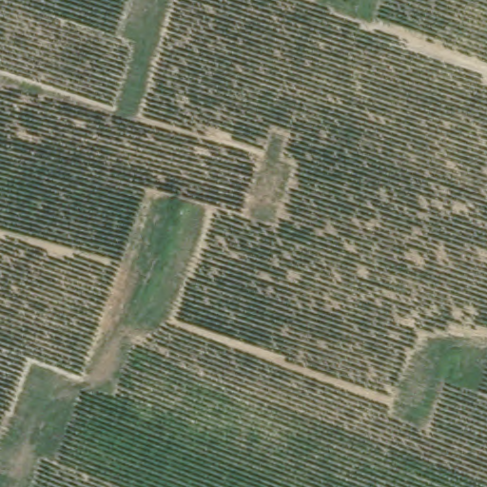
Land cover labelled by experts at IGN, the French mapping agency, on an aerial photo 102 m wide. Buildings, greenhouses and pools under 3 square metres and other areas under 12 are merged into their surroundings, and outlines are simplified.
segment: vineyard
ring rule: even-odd
[[[145,226],[148,211],[154,200],[175,198],[185,200],[192,207],[200,207],[204,211],[200,238],[192,253],[192,259],[186,266],[186,272],[181,276],[177,295],[171,302],[169,316],[150,331],[137,331],[127,344],[120,346],[116,358],[116,371],[105,382],[99,382],[95,390],[84,390],[80,394],[80,403],[76,405],[76,420],[67,428],[67,436],[61,451],[53,453],[51,457],[40,455],[42,464],[34,487],[487,487],[487,363],[479,369],[481,373],[476,388],[468,390],[451,382],[445,384],[445,398],[441,405],[432,403],[430,413],[420,424],[420,430],[413,426],[403,428],[401,420],[394,419],[394,401],[398,399],[399,390],[392,384],[398,379],[405,380],[409,375],[413,356],[419,354],[428,339],[487,337],[487,0],[375,0],[371,21],[365,21],[337,8],[327,10],[316,0],[169,0],[154,55],[150,57],[143,97],[135,112],[135,120],[131,120],[116,114],[135,55],[135,46],[126,36],[127,19],[133,11],[133,2],[129,0],[0,0],[0,439],[10,430],[11,417],[15,415],[17,403],[23,394],[32,367],[46,369],[72,382],[84,382],[88,373],[82,373],[82,363],[93,360],[93,354],[103,335],[112,327],[114,321],[120,320],[127,299],[137,283],[137,274],[131,274],[129,268],[139,253],[139,247],[150,243]],[[287,150],[297,160],[299,181],[297,188],[291,190],[291,198],[287,204],[289,219],[282,221],[278,228],[270,228],[268,224],[263,223],[253,224],[249,219],[242,217],[243,194],[253,175],[251,156],[266,156],[261,150],[263,146],[257,139],[264,139],[270,126],[291,131]]]

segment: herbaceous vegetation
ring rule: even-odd
[[[257,139],[263,146],[261,150],[266,156],[251,156],[253,175],[243,194],[242,217],[249,219],[253,224],[263,223],[268,224],[270,228],[278,228],[282,221],[289,219],[287,204],[291,198],[291,190],[297,188],[299,181],[297,160],[287,150],[291,131],[270,126],[264,139]]]
[[[451,382],[468,390],[476,388],[481,373],[479,369],[487,363],[487,337],[428,339],[419,354],[413,356],[409,375],[405,380],[398,379],[392,384],[399,390],[398,399],[394,401],[394,419],[401,420],[403,428],[413,426],[420,430],[420,424],[430,413],[432,403],[441,405],[445,398],[445,384]]]
[[[93,360],[82,363],[82,373],[88,373],[84,382],[72,382],[46,369],[32,367],[23,394],[17,403],[15,415],[11,417],[10,430],[0,439],[0,487],[34,487],[42,464],[40,455],[51,457],[53,453],[61,451],[67,436],[67,428],[76,420],[76,405],[80,403],[80,394],[84,390],[95,390],[99,382],[105,382],[116,371],[116,358],[120,346],[127,344],[137,331],[135,327],[124,325],[124,321],[120,320],[114,321],[112,327],[103,335],[93,354]]]
[[[133,11],[127,19],[126,36],[135,46],[135,55],[116,114],[131,120],[135,120],[135,112],[143,97],[150,57],[154,55],[169,0],[129,0],[133,2]]]

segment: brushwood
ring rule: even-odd
[[[337,8],[365,21],[371,21],[375,0],[316,0],[327,10]]]
[[[124,325],[135,327],[137,331],[150,331],[169,316],[171,302],[177,295],[181,276],[186,272],[186,266],[192,259],[192,253],[200,238],[204,211],[200,207],[192,207],[185,200],[175,198],[154,200],[148,211],[145,226],[150,243],[139,247],[139,253],[129,268],[131,274],[137,274],[137,283],[127,299],[120,320],[124,321]]]

